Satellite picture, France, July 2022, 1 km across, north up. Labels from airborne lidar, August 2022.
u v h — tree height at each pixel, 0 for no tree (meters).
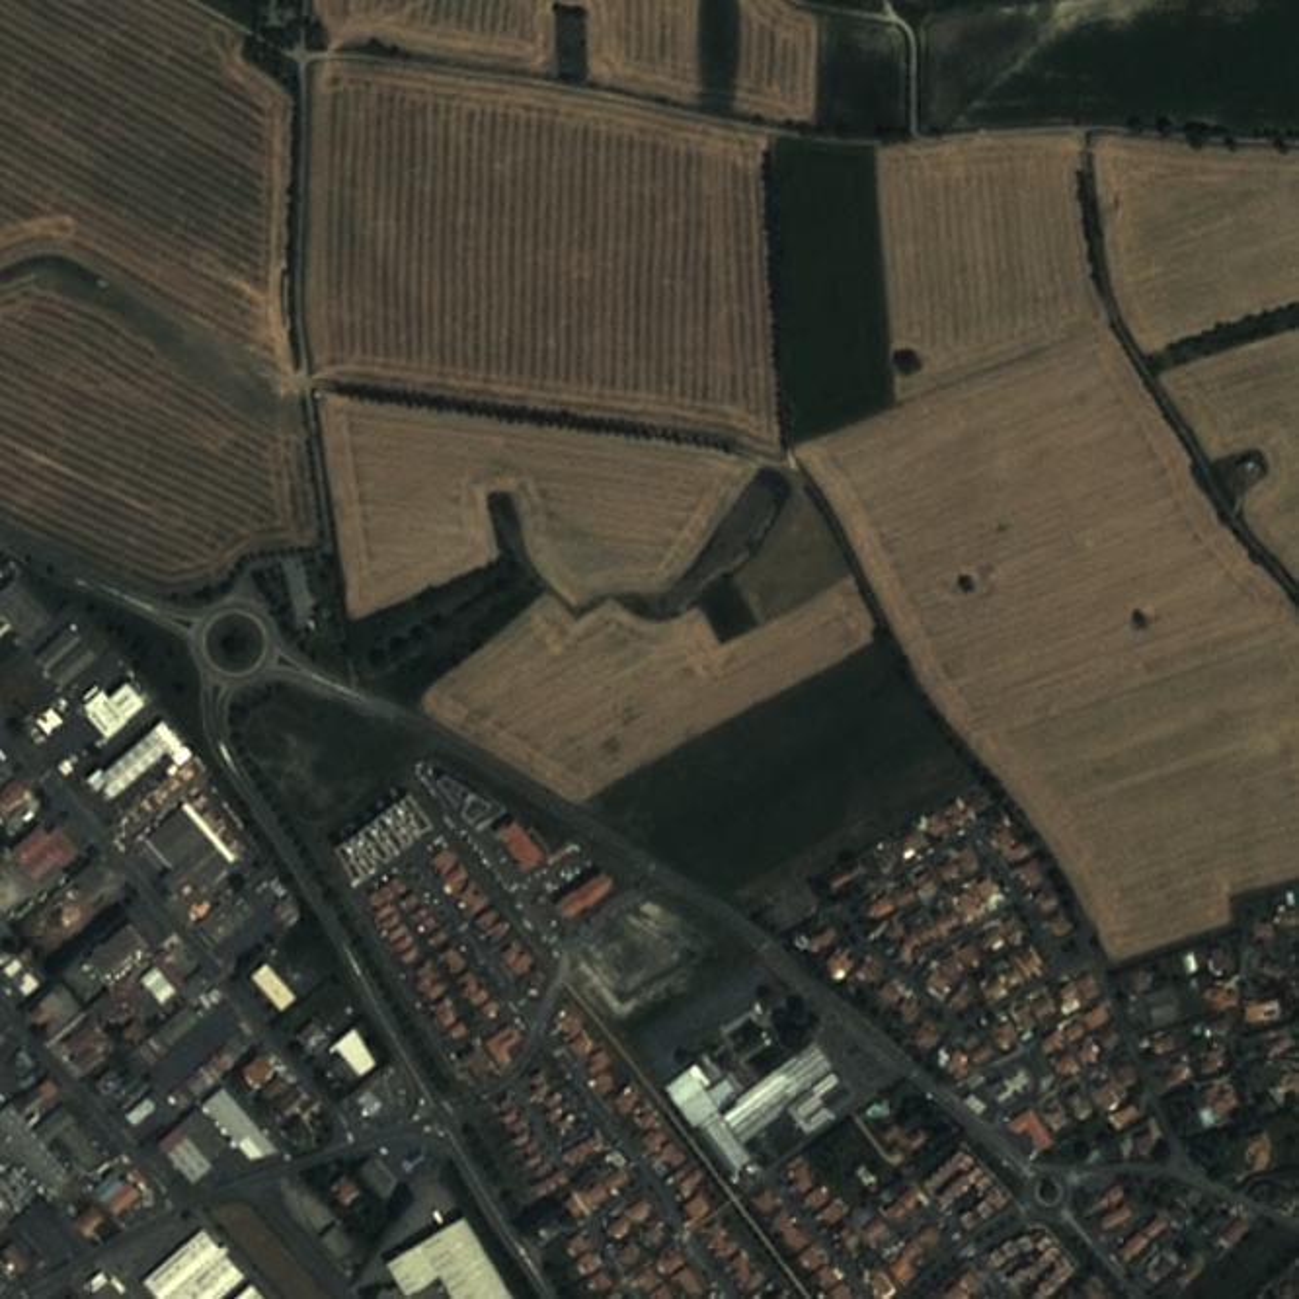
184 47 0
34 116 0
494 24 0
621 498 0
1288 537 0
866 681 0
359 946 7
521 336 0
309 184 0
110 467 0
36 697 0
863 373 0
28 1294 0
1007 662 0
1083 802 0
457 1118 0
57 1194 0
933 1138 9
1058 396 0
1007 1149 0
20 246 0
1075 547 0
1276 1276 9
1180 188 0
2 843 5
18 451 0
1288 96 0
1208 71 0
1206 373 0
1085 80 0
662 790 0
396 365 0
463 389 0
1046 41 0
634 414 0
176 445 0
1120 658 0
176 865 0
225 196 0
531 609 0
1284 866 0
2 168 0
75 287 0
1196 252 0
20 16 0
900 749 0
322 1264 0
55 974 12
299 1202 0
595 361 0
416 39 0
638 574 0
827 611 0
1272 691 0
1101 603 0
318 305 0
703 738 0
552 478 0
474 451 0
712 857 0
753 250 0
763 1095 0
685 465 0
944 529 0
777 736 0
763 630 0
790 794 0
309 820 0
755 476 0
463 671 0
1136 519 0
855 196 0
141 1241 0
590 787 0
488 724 0
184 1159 0
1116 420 0
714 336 0
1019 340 0
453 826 0
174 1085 0
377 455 0
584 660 0
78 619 0
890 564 0
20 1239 0
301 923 9
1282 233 0
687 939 0
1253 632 0
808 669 0
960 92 0
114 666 0
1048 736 0
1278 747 0
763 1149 0
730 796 0
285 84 8
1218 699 0
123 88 0
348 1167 7
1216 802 0
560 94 0
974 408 0
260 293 0
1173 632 0
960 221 0
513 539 0
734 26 0
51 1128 0
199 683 0
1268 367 0
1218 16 0
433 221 0
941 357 0
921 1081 0
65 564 0
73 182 0
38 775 0
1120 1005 8
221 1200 0
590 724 0
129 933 0
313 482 7
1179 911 0
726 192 0
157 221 0
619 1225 0
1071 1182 0
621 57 0
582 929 0
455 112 0
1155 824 0
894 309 0
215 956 0
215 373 0
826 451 0
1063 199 0
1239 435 0
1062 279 0
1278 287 0
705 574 0
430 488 0
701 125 0
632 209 0
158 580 0
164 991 0
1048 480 0
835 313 0
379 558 0
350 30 0
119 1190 0
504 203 0
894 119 0
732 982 0
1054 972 0
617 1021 0
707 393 0
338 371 0
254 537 0
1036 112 0
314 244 0
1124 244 0
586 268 0
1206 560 0
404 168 0
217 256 0
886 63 0
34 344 0
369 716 0
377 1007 0
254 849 0
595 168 0
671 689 0
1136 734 0
